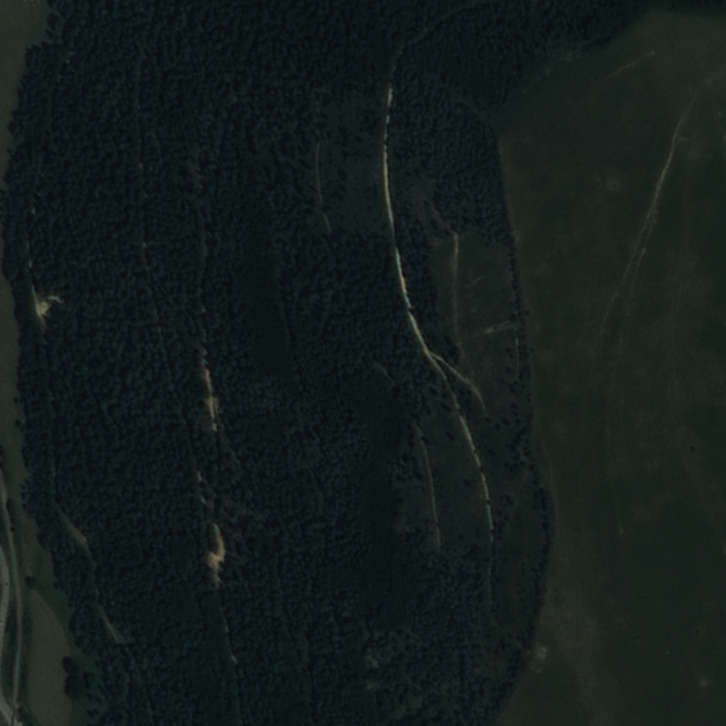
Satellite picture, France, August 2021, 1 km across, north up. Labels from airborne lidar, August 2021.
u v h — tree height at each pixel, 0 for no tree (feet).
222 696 56
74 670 60
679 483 0
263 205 74
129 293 90
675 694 0
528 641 22
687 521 0
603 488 0
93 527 47
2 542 25
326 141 48
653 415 0
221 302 19
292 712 68
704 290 0
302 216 79
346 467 91
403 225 31
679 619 0
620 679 0
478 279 0
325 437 82
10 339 0
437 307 53
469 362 0
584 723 0
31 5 0
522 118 0
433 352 39
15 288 45
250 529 98
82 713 0
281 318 74
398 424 74
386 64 42
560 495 0
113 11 68
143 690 46
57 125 25
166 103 73
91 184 59
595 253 0
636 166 0
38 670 0
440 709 23
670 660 0
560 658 0
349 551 81
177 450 80
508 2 37
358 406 81
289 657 67
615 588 0
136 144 58
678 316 0
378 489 80
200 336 58
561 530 0
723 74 0
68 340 58
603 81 0
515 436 0
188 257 72
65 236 95
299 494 79
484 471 30
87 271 78
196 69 68
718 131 0
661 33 0
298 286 70
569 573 0
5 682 0
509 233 31
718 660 0
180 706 60
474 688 74
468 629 44
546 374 0
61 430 59
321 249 65
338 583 75
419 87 32
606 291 0
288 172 91
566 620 0
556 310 0
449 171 55
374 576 88
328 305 84
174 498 88
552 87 0
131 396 95
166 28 55
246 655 55
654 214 0
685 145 0
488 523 0
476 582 48
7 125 0
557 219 0
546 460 0
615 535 0
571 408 0
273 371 83
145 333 73
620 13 32
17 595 0
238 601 40
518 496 0
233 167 62
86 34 65
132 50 75
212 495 26
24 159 64
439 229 58
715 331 0
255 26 64
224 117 47
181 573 69
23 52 0
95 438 54
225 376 81
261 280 69
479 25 31
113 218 94
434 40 43
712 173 0
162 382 93
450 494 0
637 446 0
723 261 0
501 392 0
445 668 49
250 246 70
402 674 32
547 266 0
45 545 75
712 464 0
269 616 90
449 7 60
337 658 87
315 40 55
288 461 91
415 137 47
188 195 82
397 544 71
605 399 0
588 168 0
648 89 0
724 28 0
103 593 50
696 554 0
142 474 60
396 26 57
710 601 0
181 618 73
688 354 0
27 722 20
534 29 24
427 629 42
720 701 0
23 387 46
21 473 0
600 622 0
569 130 0
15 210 62
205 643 51
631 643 0
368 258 65
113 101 78
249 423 86
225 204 63
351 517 85
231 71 65
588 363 0
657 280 0
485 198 52
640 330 0
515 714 0
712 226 0
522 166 0
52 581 0
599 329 0
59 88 49
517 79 42
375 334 58
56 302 0
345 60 55
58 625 0
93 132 72
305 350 73
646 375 0
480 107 21
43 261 72
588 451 0
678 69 0
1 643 0
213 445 64
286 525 71
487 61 43
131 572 54
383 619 42
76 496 45
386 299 36
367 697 48
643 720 0
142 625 77
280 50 56
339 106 23
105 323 68
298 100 46
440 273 0
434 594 45
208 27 73
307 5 76
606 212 0
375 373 52
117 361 98
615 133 0
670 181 0
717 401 0
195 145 60
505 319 0
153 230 71
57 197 52
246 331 66
